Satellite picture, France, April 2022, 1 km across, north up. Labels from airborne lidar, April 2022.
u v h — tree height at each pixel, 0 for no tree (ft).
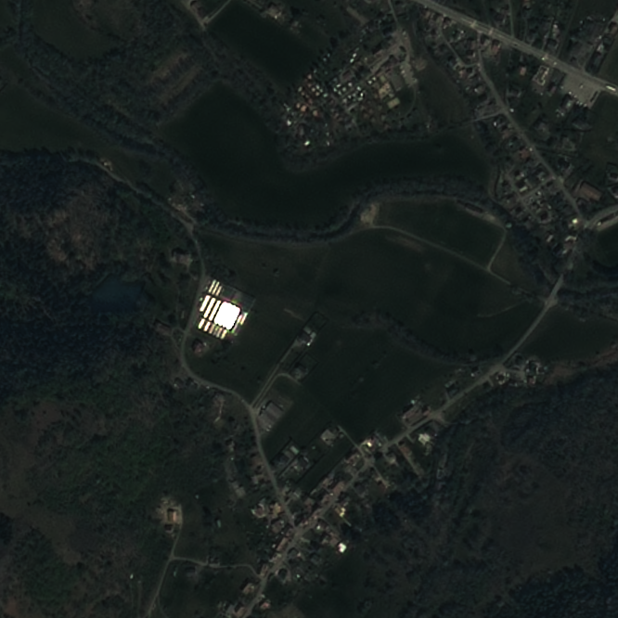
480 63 0
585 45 0
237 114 0
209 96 0
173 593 0
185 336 0
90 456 57
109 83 72
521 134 0
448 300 0
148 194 65
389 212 0
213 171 0
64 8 0
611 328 0
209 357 0
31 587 26
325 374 0
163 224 75
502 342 0
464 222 0
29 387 56
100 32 18
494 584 42
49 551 34
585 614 33
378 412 0
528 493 20
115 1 0
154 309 92
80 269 70
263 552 28
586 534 22
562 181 0
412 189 54
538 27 19
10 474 0
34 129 0
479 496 56
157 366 56
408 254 0
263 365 0
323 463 0
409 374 0
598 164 0
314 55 0
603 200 19
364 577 0
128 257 65
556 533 0
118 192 61
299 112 67
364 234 0
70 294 79
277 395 0
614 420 29
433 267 0
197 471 38
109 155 0
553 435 48
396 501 40
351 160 0
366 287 0
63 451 20
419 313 0
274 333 0
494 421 35
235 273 23
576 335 0
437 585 54
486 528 65
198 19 0
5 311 106
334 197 0
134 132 78
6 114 0
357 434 0
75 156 61
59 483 39
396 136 35
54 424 21
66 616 31
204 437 35
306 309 0
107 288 0
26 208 46
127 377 69
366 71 33
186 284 66
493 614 23
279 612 0
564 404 44
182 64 42
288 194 0
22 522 0
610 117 0
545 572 20
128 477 47
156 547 27
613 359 0
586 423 48
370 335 0
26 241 114
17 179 106
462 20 0
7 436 0
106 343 97
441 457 49
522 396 31
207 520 35
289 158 52
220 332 0
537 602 92
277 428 0
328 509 0
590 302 36
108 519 31
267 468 0
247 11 0
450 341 0
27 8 75
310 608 0
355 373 0
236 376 0
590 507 44
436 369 0
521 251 37
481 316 0
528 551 0
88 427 0
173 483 28
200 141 0
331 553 0
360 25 51
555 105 0
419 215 0
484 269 0
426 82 0
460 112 0
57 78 77
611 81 0
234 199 0
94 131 26
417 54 0
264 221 0
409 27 0
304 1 0
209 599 0
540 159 0
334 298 0
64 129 0
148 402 44
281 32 0
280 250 0
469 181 38
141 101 55
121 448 50
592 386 73
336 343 0
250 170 0
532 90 0
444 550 38
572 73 0
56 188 72
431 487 29
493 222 0
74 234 68
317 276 0
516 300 0
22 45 73
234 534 0
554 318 0
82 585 41
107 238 80
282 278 0
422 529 58
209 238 0
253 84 62
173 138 0
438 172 0
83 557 27
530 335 0
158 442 56
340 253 0
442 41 0
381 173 0
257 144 0
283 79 0
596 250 0
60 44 0
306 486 0
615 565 64
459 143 0
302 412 0
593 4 0
